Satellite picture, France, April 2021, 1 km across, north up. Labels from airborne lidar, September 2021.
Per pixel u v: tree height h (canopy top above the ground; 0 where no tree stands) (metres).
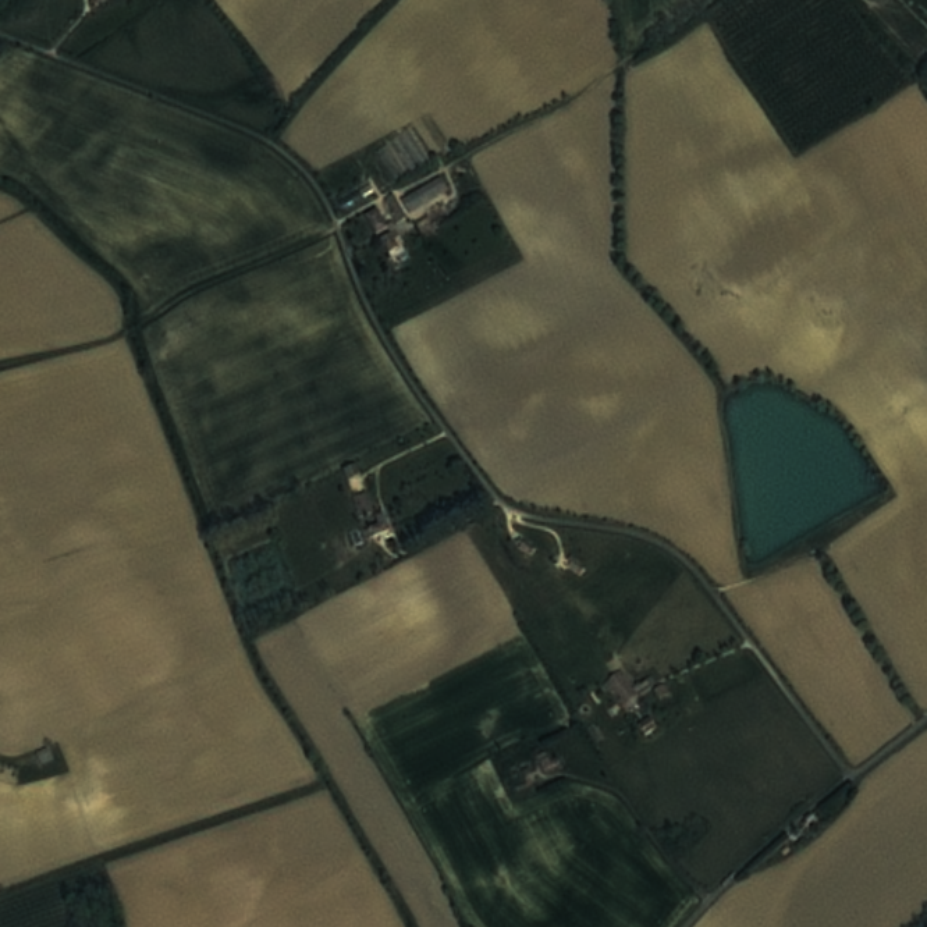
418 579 0
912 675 0
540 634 0
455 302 0
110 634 0
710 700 0
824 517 0
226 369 0
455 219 7
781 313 0
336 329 0
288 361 0
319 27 0
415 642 0
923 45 0
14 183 10
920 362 0
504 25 0
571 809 0
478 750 0
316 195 0
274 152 0
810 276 0
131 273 0
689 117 0
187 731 0
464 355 0
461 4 0
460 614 0
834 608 0
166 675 0
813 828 10
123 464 0
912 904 0
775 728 0
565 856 0
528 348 0
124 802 0
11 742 0
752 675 0
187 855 0
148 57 0
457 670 0
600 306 0
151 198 0
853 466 0
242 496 0
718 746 0
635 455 0
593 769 0
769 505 0
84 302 0
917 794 0
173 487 0
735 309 0
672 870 0
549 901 0
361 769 0
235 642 0
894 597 0
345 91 0
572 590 0
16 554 0
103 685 0
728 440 0
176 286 0
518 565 0
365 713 0
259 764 0
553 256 0
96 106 0
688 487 0
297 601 15
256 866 0
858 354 0
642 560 0
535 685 0
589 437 0
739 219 0
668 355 0
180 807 0
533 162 0
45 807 0
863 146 0
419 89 0
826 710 0
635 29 0
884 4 0
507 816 0
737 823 0
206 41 0
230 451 0
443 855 0
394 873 0
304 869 0
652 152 0
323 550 0
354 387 0
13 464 0
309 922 0
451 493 0
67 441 0
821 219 0
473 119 0
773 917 0
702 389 0
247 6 0
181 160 0
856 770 0
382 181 0
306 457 0
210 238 0
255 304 0
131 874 0
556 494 0
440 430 0
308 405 0
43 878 0
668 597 0
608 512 0
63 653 0
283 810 0
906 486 0
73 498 0
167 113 0
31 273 0
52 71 0
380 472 0
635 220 0
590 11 0
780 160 0
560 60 0
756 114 0
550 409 0
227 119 0
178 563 0
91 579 0
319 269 0
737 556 0
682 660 0
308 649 0
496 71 0
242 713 0
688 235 0
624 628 0
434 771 0
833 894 0
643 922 0
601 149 0
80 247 6
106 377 0
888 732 0
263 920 0
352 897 0
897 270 0
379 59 0
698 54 0
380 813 0
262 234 0
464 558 0
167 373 0
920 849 0
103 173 0
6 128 0
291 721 10
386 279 7
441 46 0
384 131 0
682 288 0
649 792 0
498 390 0
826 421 0
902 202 0
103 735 0
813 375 0
